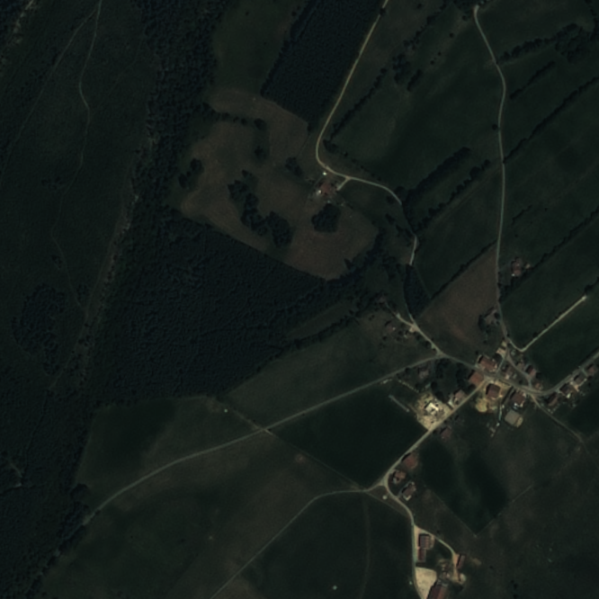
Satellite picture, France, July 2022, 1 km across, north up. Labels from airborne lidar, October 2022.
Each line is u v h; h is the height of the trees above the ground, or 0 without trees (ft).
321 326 0
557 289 0
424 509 0
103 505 0
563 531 0
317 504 0
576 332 0
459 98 0
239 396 0
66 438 53
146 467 0
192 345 71
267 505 0
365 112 0
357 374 0
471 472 0
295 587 0
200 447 0
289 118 0
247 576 0
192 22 80
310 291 59
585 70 0
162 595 0
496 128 43
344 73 48
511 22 0
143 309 72
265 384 0
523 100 0
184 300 71
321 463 0
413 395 0
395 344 0
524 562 0
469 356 0
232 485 0
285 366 0
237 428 0
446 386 0
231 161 0
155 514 0
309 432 0
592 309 0
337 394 0
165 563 0
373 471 0
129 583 0
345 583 0
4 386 18
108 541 0
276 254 0
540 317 0
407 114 0
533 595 0
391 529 0
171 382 71
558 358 0
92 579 0
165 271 62
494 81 0
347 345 0
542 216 0
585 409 0
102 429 0
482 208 0
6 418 24
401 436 0
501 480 0
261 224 69
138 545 0
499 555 0
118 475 0
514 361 0
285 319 52
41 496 35
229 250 51
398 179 0
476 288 0
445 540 0
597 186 0
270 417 0
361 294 23
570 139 0
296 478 0
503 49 0
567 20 0
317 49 62
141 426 0
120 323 64
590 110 0
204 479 0
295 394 0
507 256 0
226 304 63
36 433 28
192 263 57
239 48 0
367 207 0
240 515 0
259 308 55
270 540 0
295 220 0
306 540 0
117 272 37
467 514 0
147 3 57
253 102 0
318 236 0
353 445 0
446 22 0
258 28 0
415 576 0
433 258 0
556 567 0
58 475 37
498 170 0
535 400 0
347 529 0
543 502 0
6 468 30
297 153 0
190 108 64
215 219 0
